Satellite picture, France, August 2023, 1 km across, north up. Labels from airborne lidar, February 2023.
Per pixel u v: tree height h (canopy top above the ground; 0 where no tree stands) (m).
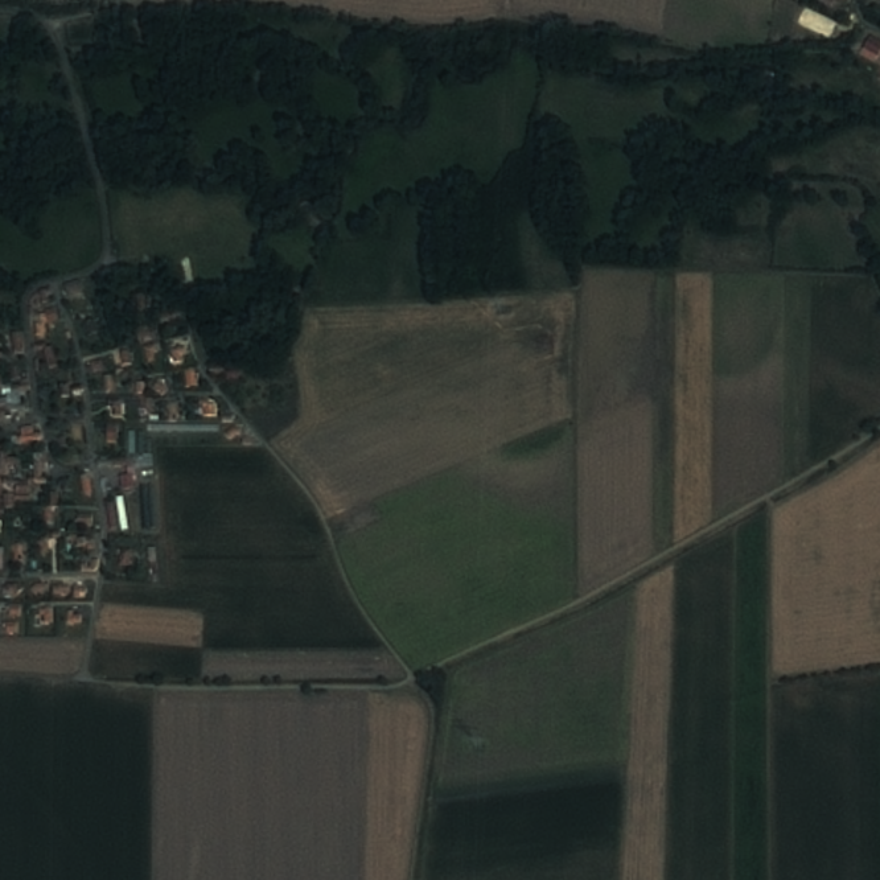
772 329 0
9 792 0
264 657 0
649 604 0
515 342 0
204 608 0
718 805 0
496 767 0
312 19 18
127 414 0
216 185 16
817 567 0
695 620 0
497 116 0
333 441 0
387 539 0
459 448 0
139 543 0
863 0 7
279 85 21
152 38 19
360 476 0
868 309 0
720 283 0
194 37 21
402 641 0
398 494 0
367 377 0
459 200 22
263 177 14
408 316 0
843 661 0
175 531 0
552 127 23
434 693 14
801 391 0
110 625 0
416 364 0
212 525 0
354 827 0
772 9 0
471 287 21
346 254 0
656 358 0
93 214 0
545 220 26
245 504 0
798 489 0
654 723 0
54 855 0
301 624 0
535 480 0
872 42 0
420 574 0
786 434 0
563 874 0
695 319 0
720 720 0
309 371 0
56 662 0
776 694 0
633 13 0
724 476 0
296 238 0
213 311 24
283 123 24
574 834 0
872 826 0
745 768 0
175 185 13
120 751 0
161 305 8
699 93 0
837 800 0
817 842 0
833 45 13
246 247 0
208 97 18
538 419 0
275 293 19
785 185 21
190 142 10
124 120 15
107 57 25
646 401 0
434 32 10
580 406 0
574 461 0
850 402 0
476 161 0
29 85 0
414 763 0
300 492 0
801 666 0
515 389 0
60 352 7
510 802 0
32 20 15
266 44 18
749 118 0
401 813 0
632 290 0
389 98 0
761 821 0
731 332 0
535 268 0
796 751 0
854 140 0
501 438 0
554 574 0
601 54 12
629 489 0
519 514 0
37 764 0
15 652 0
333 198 17
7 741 0
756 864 0
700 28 0
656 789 0
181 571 0
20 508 6
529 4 0
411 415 0
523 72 0
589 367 0
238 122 0
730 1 0
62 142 38
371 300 0
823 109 22
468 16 0
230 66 25
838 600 0
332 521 0
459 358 0
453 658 0
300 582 0
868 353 0
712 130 0
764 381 0
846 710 0
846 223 0
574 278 6
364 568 0
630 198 20
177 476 0
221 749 0
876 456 0
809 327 0
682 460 0
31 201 18
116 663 0
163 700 0
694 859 0
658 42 12
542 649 0
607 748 0
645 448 0
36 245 0
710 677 0
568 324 0
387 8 0
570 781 0
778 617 0
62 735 0
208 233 0
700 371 0
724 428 0
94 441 0
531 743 0
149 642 0
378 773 0
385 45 17
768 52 14
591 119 0
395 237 0
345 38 0
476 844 0
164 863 0
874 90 0
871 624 0
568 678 0
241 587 0
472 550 0
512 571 0
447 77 16
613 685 0
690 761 0
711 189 34
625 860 0
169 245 0
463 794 0
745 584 0
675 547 0
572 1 0
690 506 0
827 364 0
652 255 18
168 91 18
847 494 0
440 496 0
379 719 0
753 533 0
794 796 0
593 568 0
